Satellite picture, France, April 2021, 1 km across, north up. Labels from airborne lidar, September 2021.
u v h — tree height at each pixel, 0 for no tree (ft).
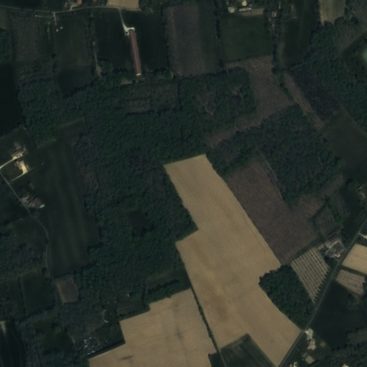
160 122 81
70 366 51
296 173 60
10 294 0
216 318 0
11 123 0
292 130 67
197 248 0
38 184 0
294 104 64
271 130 71
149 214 75
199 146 69
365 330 38
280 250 54
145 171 65
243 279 0
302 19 0
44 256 0
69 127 0
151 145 89
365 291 55
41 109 75
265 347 0
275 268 0
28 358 82
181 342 0
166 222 78
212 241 0
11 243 51
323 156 67
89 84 0
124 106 27
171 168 0
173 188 78
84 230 0
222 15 0
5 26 0
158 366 0
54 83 70
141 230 0
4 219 0
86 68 0
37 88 68
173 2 51
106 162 74
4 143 0
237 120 74
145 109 22
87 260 0
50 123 64
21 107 64
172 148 87
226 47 0
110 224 90
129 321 0
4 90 0
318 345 0
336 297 0
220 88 83
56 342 0
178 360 0
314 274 28
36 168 0
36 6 0
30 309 0
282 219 57
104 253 86
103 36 0
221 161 85
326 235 37
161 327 0
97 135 74
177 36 67
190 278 0
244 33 0
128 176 91
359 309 0
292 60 0
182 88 71
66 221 0
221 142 61
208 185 0
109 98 84
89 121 57
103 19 0
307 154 73
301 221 59
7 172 0
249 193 56
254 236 0
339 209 63
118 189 75
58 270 0
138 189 86
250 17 0
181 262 61
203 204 0
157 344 0
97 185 23
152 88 31
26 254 73
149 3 31
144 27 0
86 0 42
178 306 0
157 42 0
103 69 73
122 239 89
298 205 60
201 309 38
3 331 0
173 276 0
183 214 70
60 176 0
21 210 0
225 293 0
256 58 50
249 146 72
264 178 63
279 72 55
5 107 0
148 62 0
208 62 37
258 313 0
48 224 0
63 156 0
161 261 66
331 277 0
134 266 89
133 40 0
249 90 80
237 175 55
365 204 20
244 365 0
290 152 52
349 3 60
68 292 0
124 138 81
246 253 0
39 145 42
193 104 76
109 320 0
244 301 0
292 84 54
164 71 64
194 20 55
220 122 72
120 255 79
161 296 63
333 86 64
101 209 51
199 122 82
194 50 62
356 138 0
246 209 49
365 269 0
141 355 0
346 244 38
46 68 24
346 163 0
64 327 44
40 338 68
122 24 0
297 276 55
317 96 44
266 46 0
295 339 0
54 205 0
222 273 0
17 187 0
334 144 0
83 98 66
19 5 0
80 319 66
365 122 76
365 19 84
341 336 0
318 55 84
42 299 0
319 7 52
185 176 0
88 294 82
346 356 30
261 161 81
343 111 0
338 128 0
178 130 78
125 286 74
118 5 0
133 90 32
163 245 83
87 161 46
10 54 27
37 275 0
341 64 52
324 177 68
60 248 0
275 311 0
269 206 55
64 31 0
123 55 0
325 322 0
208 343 0
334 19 0
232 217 0
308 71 40
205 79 71
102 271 94
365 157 0
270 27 57
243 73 66
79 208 0
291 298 80
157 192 44
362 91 81
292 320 42
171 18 61
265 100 64
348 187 53
